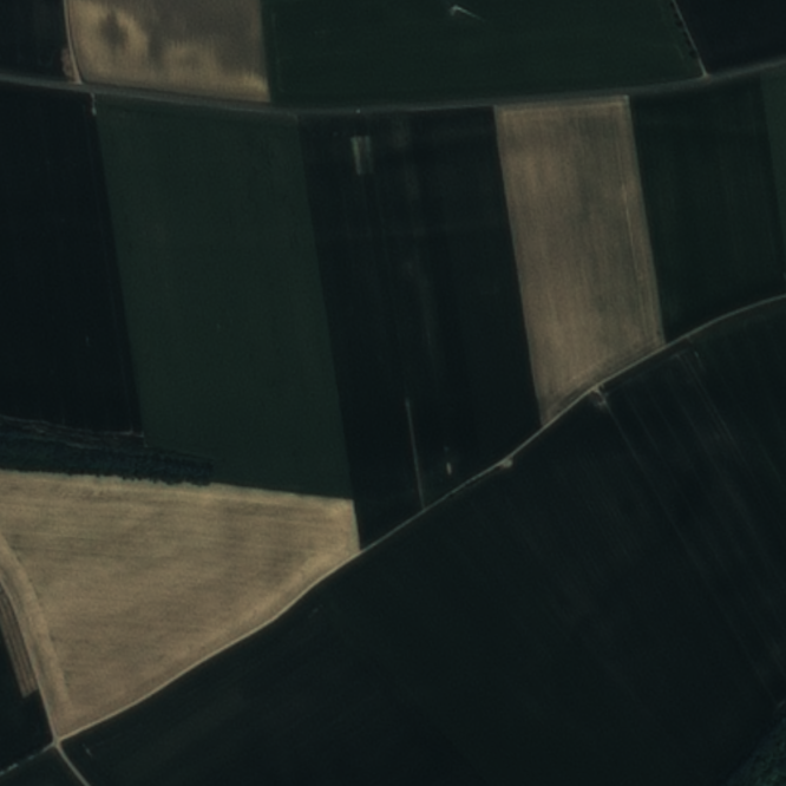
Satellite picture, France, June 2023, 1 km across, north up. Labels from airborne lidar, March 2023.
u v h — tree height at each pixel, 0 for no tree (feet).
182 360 0
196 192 0
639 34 0
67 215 0
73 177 0
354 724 0
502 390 0
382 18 0
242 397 0
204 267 0
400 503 0
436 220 0
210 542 0
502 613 0
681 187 0
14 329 0
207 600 0
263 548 0
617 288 0
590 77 0
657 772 0
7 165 0
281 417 0
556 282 0
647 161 0
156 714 0
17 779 0
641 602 0
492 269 0
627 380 0
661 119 0
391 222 0
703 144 0
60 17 0
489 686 0
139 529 0
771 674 0
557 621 0
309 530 0
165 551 0
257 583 0
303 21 0
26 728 0
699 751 0
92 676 0
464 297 0
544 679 0
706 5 0
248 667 0
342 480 0
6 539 0
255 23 0
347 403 0
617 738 0
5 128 0
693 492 0
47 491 0
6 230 0
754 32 0
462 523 0
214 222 0
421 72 0
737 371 0
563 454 0
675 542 0
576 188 0
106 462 55
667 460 0
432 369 0
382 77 0
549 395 0
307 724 0
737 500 0
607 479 0
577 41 0
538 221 0
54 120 0
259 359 0
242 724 0
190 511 0
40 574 0
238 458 0
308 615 0
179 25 0
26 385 0
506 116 0
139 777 0
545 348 0
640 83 0
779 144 0
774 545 0
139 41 0
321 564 0
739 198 0
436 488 0
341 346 0
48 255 0
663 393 0
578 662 0
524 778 0
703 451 0
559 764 0
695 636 0
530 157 0
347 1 0
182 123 0
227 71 0
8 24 0
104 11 0
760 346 0
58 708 0
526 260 0
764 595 0
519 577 0
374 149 0
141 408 0
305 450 0
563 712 0
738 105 0
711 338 0
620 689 0
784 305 0
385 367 0
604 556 0
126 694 0
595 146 0
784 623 0
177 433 0
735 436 0
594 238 0
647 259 0
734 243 0
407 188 0
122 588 0
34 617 0
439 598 0
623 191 0
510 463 0
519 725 0
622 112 0
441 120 0
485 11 0
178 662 0
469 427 0
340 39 0
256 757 0
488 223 0
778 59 0
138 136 0
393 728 0
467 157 0
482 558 0
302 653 0
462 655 0
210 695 0
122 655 0
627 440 0
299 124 0
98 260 0
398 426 0
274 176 0
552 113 0
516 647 0
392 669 0
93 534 0
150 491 0
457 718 0
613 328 0
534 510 0
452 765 0
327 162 0
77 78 0
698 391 0
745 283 0
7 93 0
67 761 0
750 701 0
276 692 0
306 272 0
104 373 0
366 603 0
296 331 0
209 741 0
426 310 0
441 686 0
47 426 0
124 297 0
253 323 0
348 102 0
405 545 0
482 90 0
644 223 0
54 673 0
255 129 0
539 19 0
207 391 0
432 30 0
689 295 0
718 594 0
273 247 0
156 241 0
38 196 0
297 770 0
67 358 0
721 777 0
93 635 0
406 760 0
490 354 0
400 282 0
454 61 0
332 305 0
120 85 0
